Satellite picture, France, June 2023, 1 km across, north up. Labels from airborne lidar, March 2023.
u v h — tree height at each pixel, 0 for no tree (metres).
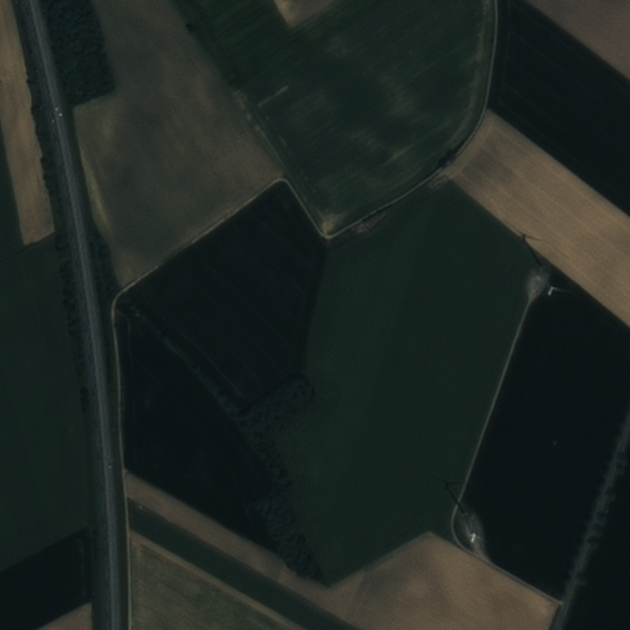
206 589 0
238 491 0
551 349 0
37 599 0
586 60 0
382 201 0
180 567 0
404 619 0
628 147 0
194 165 0
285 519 20
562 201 0
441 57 0
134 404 0
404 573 0
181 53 0
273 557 0
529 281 0
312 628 0
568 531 0
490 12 0
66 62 16
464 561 0
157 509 0
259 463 0
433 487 0
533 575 0
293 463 0
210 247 0
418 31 0
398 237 0
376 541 0
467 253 0
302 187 0
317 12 0
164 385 0
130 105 0
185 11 0
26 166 0
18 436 0
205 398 0
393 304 0
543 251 0
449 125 0
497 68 0
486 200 0
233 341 0
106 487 0
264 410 22
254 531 0
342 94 0
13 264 0
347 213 0
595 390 0
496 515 0
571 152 0
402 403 0
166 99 0
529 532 0
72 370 0
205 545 0
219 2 0
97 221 0
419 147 0
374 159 0
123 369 0
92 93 11
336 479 0
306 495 0
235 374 0
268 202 0
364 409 0
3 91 0
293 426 0
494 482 0
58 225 0
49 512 0
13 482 0
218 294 0
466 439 0
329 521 0
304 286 0
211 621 0
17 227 0
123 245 0
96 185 0
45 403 0
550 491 0
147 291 0
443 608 0
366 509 0
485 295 0
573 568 18
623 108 0
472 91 0
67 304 11
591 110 0
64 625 0
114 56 0
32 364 0
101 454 0
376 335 0
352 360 0
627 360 0
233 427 0
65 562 0
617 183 0
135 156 0
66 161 0
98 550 7
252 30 0
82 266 0
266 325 0
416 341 0
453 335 0
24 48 0
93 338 0
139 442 0
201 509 0
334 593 0
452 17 0
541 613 0
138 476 0
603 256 0
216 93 0
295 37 0
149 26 0
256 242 0
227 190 0
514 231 0
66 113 0
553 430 0
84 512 0
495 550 0
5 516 0
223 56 0
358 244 0
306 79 0
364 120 0
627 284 0
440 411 0
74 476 0
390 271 0
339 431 0
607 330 0
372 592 0
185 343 0
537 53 0
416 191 0
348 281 0
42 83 0
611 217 0
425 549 0
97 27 18
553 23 0
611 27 0
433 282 0
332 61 0
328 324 0
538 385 0
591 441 0
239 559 0
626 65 0
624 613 0
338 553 0
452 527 0
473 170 0
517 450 0
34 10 0
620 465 14
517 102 0
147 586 0
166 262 0
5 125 0
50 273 0
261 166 0
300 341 0
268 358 0
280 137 0
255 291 0
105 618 0
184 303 0
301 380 18
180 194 0
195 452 0
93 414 0
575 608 0
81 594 0
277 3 0
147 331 0
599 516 13
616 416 0
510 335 0
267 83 0
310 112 0
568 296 0
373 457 0
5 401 0
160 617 0
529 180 0
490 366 0
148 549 0
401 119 0
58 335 0
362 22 0
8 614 0
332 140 0
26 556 0
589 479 0
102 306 11
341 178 0
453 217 0
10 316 0
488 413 0
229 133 0
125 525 0
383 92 0
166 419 0
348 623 0
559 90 0
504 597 0
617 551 0
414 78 0
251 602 0
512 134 0
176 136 0
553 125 0
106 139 0
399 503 0
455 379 0
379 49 0
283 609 0
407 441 0
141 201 0
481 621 0
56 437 0
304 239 0
